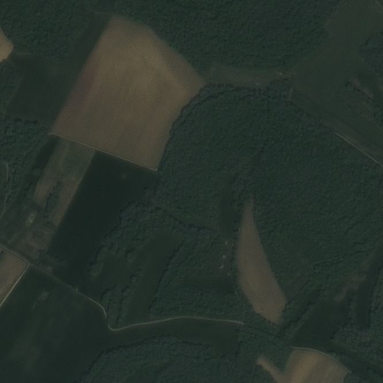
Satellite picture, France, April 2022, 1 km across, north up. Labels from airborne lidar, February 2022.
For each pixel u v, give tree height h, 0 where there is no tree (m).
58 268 0
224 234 0
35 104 0
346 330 18
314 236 11
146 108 0
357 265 13
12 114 0
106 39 0
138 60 0
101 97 0
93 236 0
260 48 17
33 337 0
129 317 0
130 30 0
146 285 0
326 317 0
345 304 0
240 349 12
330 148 14
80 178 0
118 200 0
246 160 9
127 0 23
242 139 15
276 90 20
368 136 0
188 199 17
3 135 20
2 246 0
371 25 0
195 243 10
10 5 7
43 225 0
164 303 16
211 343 0
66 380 0
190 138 19
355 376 14
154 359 21
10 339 0
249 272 0
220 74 0
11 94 14
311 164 7
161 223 9
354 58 0
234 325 0
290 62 18
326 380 0
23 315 0
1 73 16
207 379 24
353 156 21
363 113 0
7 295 0
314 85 0
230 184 7
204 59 21
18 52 13
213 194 16
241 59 14
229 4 14
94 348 0
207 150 15
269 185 8
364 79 0
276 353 19
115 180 0
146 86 0
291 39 13
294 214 12
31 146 16
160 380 20
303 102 0
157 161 0
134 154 0
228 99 23
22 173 16
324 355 0
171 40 17
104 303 14
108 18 0
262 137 14
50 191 0
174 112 0
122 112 0
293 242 6
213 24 19
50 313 0
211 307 8
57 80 0
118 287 9
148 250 0
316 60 0
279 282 6
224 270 0
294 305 13
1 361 0
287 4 16
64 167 0
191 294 14
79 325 0
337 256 9
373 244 7
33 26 15
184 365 23
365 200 11
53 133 0
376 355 18
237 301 9
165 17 20
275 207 7
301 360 0
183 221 0
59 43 21
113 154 0
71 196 0
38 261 7
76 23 21
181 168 20
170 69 0
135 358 21
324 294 11
